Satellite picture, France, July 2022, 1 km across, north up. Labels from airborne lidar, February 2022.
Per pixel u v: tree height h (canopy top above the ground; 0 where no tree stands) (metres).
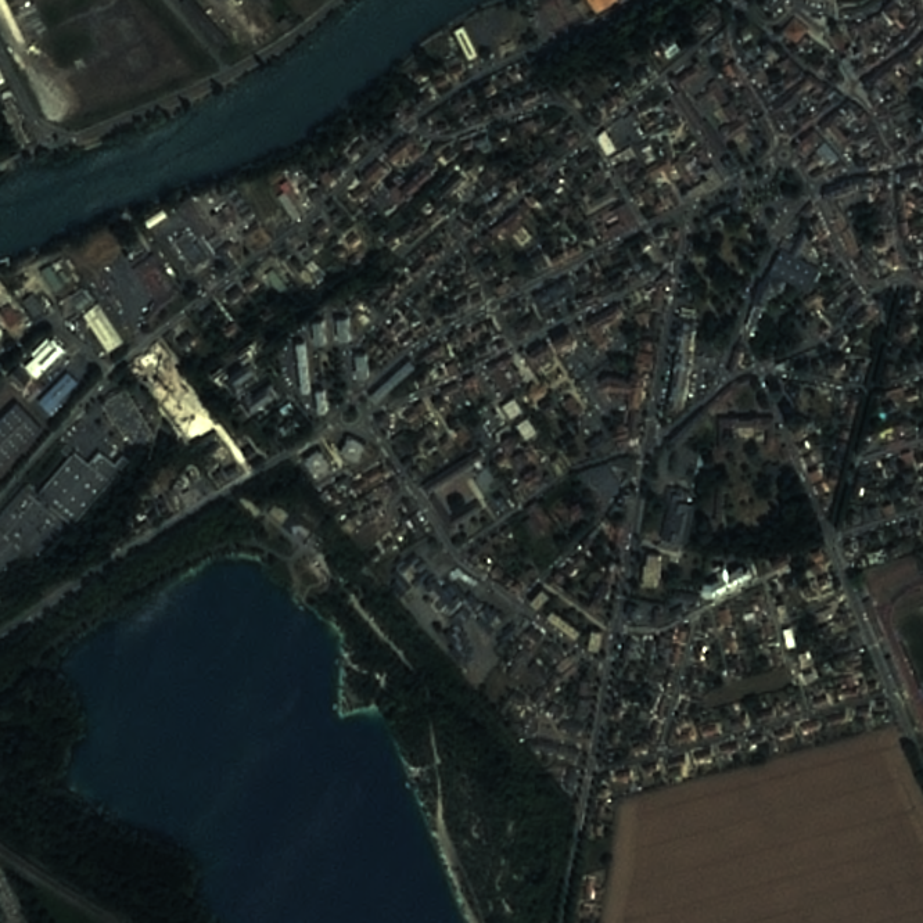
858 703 0
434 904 0
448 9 0
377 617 8
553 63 20
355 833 0
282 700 0
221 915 0
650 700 16
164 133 0
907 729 0
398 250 0
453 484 0
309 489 13
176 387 0
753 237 16
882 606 0
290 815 0
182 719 0
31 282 0
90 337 0
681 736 0
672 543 0
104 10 0
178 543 12
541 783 6
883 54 0
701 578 15
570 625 0
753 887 0
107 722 0
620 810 0
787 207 0
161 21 0
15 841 15
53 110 0
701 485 18
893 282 0
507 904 0
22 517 0
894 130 0
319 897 0
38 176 0
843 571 0
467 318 0
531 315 7
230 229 0
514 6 13
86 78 0
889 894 0
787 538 21
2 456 0
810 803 0
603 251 0
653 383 0
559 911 13
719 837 0
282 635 0
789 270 0
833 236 0
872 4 0
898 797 0
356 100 14
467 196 0
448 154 0
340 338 0
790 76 0
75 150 9
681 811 0
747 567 0
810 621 8
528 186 7
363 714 0
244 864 0
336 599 9
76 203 0
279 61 8
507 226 0
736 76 0
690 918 0
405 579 0
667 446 6
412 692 19
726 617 0
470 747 12
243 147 0
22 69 0
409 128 0
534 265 15
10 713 16
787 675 0
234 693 0
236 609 0
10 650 7
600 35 17
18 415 0
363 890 0
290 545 12
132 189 0
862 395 7
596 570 6
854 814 0
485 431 0
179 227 0
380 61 0
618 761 10
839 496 7
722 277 24
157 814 0
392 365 0
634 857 0
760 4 6
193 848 0
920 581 0
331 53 0
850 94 0
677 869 0
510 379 0
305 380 0
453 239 0
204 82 0
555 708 0
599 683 7
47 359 0
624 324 8
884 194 0
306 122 0
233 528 16
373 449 0
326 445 0
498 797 5
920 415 7
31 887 11
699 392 0
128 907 18
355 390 0
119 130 13
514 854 9
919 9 0
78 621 15
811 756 0
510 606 0
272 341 13
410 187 0
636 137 0
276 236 0
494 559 0
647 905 0
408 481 0
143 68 0
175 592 0
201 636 0
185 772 0
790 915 0
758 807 0
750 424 0
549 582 6
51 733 9
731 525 9
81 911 0
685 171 0
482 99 16
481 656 0
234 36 0
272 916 0
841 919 0
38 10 0
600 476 0
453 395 0
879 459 0
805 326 7
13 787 16
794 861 0
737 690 0
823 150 0
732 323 20
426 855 0
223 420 7
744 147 0
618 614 0
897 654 0
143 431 0
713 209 0
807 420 10
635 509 0
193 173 0
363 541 0
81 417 0
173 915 16
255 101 0
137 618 0
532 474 0
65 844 16
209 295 0
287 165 6
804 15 0
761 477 9
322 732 0
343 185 0
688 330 0
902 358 9
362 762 0
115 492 9
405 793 0
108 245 0
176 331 0
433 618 0
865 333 0
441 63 8
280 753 0
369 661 9
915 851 0
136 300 0
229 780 0
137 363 0
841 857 0
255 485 8
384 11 0
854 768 0
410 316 7
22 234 0
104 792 0
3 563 0
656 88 0
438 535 0
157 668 0
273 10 0
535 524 0
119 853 12
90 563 10
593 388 0
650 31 17
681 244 0
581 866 13
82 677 0
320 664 0
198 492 0
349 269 7
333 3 0
